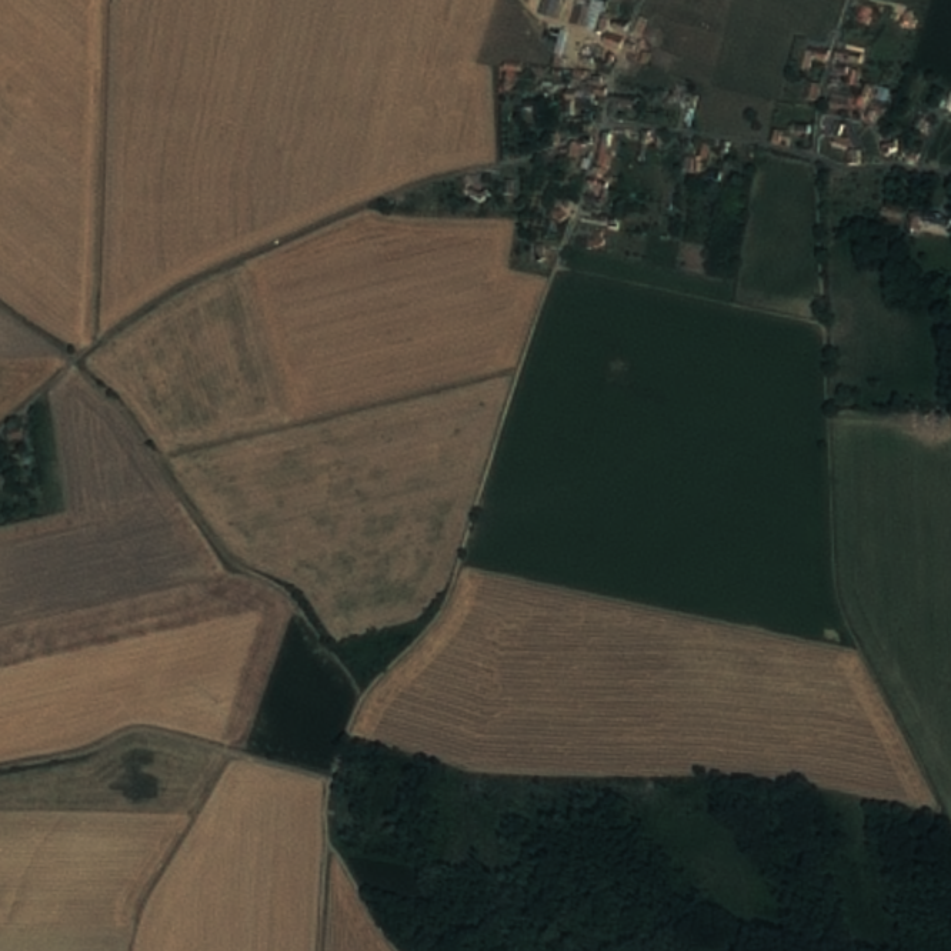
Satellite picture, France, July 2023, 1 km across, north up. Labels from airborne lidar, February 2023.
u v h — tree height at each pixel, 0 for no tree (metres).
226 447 0
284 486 0
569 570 0
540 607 0
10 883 0
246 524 0
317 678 0
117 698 0
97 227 0
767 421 0
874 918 0
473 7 0
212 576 0
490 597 0
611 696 0
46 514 0
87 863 0
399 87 0
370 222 0
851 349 0
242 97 0
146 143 0
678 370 0
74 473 0
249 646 0
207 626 0
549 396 0
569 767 0
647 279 0
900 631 0
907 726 0
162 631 0
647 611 0
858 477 0
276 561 0
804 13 0
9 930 0
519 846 28
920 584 0
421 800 21
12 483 9
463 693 0
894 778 0
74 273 0
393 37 0
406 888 0
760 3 0
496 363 0
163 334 0
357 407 0
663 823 0
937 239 0
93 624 0
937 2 0
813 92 0
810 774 0
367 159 0
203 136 0
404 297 0
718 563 0
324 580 0
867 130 0
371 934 0
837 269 0
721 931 20
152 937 0
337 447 0
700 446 0
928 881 10
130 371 0
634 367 0
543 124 14
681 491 0
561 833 19
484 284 0
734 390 0
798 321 0
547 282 0
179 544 0
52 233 0
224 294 0
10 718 0
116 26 0
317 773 0
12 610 0
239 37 0
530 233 8
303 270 0
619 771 0
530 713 0
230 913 0
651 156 10
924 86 10
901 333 0
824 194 6
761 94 0
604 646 0
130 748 0
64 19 0
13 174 0
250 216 0
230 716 0
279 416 0
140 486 0
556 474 0
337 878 0
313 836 0
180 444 0
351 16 0
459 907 24
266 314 0
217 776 0
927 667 0
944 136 0
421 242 0
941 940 20
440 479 0
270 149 0
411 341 0
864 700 0
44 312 0
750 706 0
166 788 0
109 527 0
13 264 0
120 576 0
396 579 0
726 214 7
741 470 0
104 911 0
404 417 0
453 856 0
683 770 0
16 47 0
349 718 0
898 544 0
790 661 0
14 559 0
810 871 28
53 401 0
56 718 0
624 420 0
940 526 0
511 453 0
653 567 0
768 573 0
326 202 0
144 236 0
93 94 0
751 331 0
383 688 0
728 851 0
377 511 0
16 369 0
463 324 0
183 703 0
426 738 0
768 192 0
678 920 18
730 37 0
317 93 0
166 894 0
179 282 0
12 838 0
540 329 0
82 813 0
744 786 23
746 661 0
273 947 0
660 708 0
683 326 0
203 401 0
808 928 22
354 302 0
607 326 0
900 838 26
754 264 0
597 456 0
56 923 0
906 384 0
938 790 0
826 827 25
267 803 0
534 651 0
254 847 0
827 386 0
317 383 0
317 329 0
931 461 0
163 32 0
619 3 0
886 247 21
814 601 0
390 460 0
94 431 0
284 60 0
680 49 0
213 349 0
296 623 0
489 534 0
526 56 0
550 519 0
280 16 0
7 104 0
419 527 0
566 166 14
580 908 23
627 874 22
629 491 0
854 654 0
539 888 21
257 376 0
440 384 0
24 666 0
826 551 0
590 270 0
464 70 0
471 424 0
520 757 0
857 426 0
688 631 0
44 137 0
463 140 0
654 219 0
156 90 0
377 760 16
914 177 12
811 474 0
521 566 0
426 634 0
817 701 0
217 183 0
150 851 0
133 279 0
